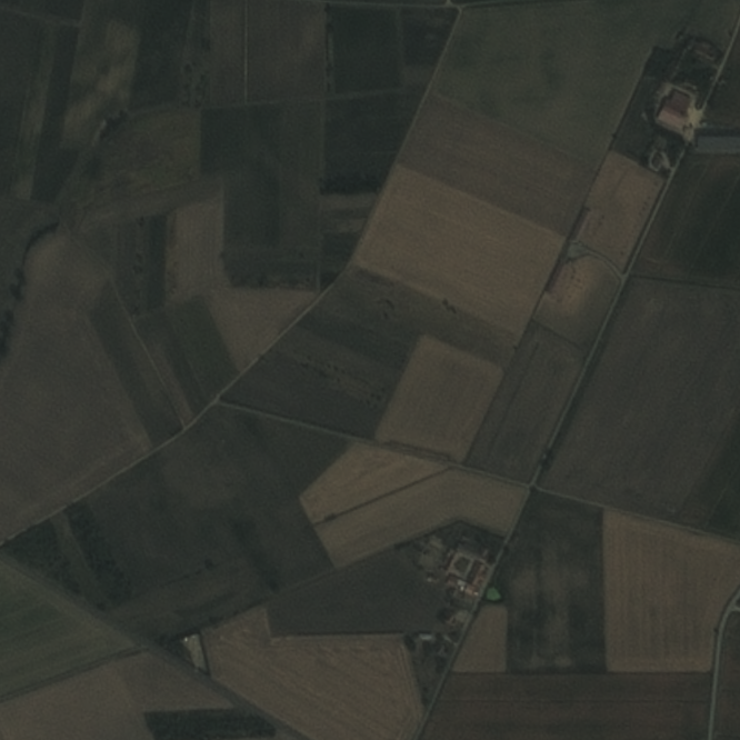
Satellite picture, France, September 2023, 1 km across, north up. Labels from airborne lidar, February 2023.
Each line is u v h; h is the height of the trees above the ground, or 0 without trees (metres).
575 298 0
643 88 0
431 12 0
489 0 0
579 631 0
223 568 0
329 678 0
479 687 0
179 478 0
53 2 0
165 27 0
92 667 0
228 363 0
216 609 0
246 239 0
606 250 0
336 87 0
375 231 0
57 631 0
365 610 0
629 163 0
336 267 0
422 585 0
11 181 0
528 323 0
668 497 0
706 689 0
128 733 0
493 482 0
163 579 0
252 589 0
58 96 0
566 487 0
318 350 0
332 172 0
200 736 8
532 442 0
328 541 0
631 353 0
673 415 0
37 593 0
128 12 0
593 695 0
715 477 0
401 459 0
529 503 0
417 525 0
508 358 0
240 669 0
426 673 0
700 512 0
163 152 0
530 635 0
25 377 0
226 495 0
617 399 0
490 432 0
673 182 0
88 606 0
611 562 0
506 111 0
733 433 0
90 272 0
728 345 0
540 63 0
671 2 0
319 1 0
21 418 0
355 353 0
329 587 0
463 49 0
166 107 0
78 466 0
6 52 0
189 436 0
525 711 0
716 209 0
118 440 0
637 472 0
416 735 0
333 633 0
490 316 0
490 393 0
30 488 0
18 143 0
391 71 0
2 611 0
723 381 0
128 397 0
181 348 0
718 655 0
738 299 0
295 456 0
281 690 0
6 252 0
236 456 0
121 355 0
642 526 0
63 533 0
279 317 0
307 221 0
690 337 0
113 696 0
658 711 0
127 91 0
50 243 0
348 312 0
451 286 0
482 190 0
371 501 0
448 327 0
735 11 0
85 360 0
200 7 0
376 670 0
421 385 0
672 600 0
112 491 0
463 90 0
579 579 0
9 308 0
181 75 0
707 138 0
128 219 0
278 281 0
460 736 0
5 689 0
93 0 0
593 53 0
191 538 0
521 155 0
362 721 0
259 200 0
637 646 0
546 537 0
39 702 0
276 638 0
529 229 0
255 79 0
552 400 0
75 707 0
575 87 0
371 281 0
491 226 0
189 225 0
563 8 0
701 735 0
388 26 0
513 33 0
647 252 0
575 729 0
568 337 0
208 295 0
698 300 0
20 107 0
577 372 0
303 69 0
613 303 0
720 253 0
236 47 0
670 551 0
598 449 0
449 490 0
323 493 0
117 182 0
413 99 0
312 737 0
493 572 0
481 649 0
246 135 0
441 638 7
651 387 0
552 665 0
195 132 0
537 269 0
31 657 0
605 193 0
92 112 0
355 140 0
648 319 0
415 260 0
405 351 0
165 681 0
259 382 0
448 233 0
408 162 0
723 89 0
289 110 0
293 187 0
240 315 0
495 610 0
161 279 0
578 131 0
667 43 0
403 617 0
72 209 0
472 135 0
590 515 0
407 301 0
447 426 0
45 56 0
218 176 0
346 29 0
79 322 0
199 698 0
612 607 0
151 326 0
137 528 0
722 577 0
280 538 0
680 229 0
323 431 0
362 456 0
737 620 0
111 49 0
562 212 0
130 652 0
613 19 0
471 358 0
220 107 0
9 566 0
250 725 5
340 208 0
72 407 0
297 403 0
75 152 0
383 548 0
